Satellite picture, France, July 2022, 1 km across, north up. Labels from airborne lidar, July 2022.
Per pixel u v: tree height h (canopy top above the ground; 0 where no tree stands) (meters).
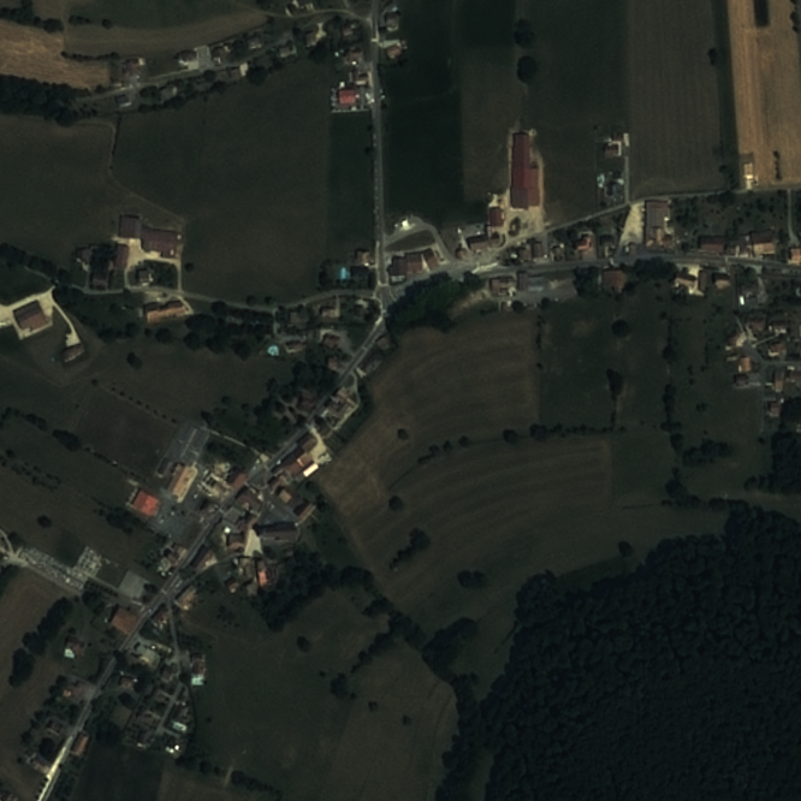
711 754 13
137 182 0
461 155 0
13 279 0
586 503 0
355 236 0
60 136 0
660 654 32
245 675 0
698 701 15
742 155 0
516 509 0
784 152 0
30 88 19
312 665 0
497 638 0
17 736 0
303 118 0
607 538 0
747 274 9
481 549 0
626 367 0
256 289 0
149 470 0
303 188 0
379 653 13
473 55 0
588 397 0
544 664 30
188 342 12
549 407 0
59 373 0
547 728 35
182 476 0
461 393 0
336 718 0
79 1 0
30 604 0
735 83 0
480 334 0
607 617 26
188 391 0
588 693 31
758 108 0
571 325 0
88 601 19
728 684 20
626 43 0
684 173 0
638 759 17
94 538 0
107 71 0
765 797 22
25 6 8
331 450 0
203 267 0
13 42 0
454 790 25
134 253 0
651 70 0
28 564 0
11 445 0
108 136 0
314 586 17
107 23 8
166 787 0
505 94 0
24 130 0
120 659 18
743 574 36
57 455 0
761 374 0
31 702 0
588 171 0
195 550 0
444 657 28
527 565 0
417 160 0
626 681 27
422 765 0
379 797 0
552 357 0
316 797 0
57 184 0
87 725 6
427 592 0
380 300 0
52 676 0
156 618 0
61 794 7
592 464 0
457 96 0
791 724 23
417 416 0
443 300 30
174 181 0
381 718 0
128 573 0
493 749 19
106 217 0
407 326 22
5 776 0
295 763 0
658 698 13
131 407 0
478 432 0
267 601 15
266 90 0
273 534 0
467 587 17
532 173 0
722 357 0
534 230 0
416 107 0
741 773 21
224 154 0
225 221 0
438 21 0
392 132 0
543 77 0
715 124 0
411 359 0
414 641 21
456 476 0
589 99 0
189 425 0
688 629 33
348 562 0
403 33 0
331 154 0
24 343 0
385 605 16
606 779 22
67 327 0
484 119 0
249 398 0
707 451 16
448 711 0
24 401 0
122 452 0
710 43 0
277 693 0
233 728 0
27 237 0
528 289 0
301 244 0
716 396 0
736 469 0
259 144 0
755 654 35
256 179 0
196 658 0
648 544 0
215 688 0
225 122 0
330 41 6
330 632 0
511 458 0
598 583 0
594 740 12
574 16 0
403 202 0
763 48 0
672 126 0
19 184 0
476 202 0
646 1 0
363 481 0
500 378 0
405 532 0
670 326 8
